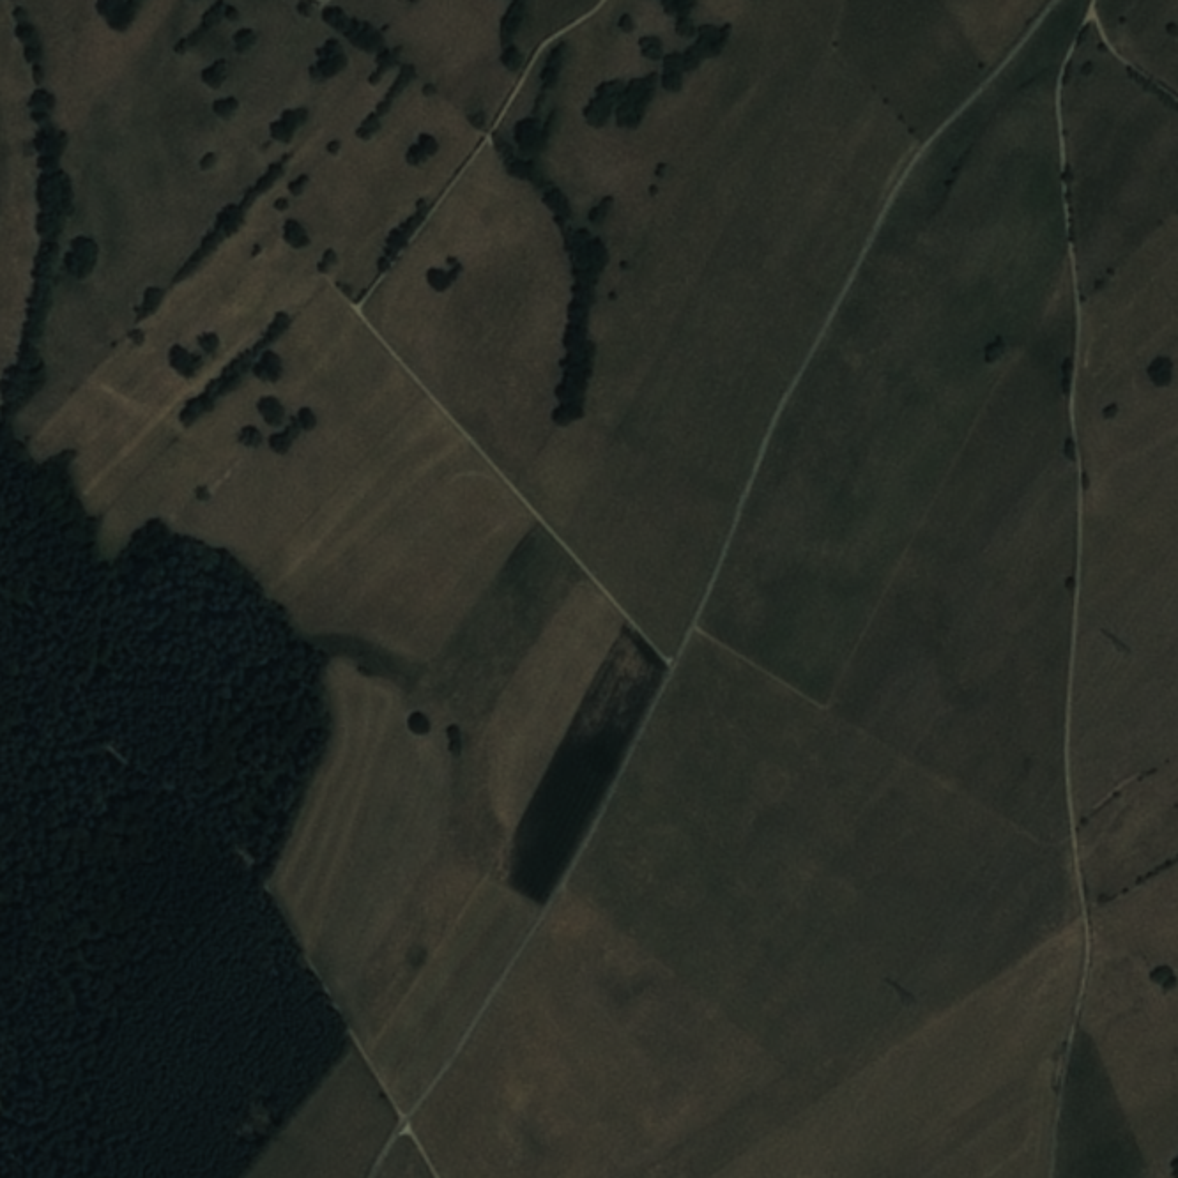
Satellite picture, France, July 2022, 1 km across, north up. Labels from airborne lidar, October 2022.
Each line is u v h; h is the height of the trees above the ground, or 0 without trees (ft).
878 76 0
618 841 0
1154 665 0
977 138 0
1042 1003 0
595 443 0
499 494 0
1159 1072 0
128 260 0
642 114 20
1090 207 0
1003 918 0
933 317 0
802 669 0
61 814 94
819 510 0
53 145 60
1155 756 0
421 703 0
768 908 0
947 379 0
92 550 82
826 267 0
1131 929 0
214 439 0
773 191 0
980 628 0
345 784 0
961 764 0
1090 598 0
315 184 0
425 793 0
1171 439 0
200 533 0
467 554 0
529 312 0
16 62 0
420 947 0
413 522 0
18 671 90
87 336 0
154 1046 89
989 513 0
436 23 0
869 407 0
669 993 0
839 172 0
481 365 0
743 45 0
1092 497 0
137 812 94
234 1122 87
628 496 0
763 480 0
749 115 0
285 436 27
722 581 0
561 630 0
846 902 0
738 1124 0
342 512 0
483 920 0
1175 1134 0
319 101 0
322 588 0
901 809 0
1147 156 0
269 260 0
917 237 0
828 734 0
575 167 0
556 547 0
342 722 0
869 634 0
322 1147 0
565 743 0
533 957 0
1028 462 0
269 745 63
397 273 0
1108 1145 0
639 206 0
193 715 110
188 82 0
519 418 0
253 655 127
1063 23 0
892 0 0
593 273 47
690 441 0
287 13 0
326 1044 87
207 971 86
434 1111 0
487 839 0
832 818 0
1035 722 0
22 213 0
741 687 0
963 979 0
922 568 0
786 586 0
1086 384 0
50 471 31
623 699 0
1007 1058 0
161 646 117
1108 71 0
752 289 0
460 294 0
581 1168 0
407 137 0
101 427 0
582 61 0
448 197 0
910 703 0
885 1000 0
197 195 0
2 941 84
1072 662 0
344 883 0
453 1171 0
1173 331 0
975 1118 0
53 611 91
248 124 0
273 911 57
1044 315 0
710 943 0
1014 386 0
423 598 0
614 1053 0
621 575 0
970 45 0
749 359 0
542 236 0
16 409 41
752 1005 0
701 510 0
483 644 0
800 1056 0
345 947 0
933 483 0
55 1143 109
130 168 0
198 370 49
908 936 0
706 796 0
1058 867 0
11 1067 101
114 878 76
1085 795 0
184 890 85
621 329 0
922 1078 0
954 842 0
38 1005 90
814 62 0
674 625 0
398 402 0
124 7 66
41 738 105
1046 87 0
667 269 0
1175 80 0
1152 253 0
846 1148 0
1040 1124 0
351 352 0
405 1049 0
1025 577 0
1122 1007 0
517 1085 0
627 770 0
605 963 0
